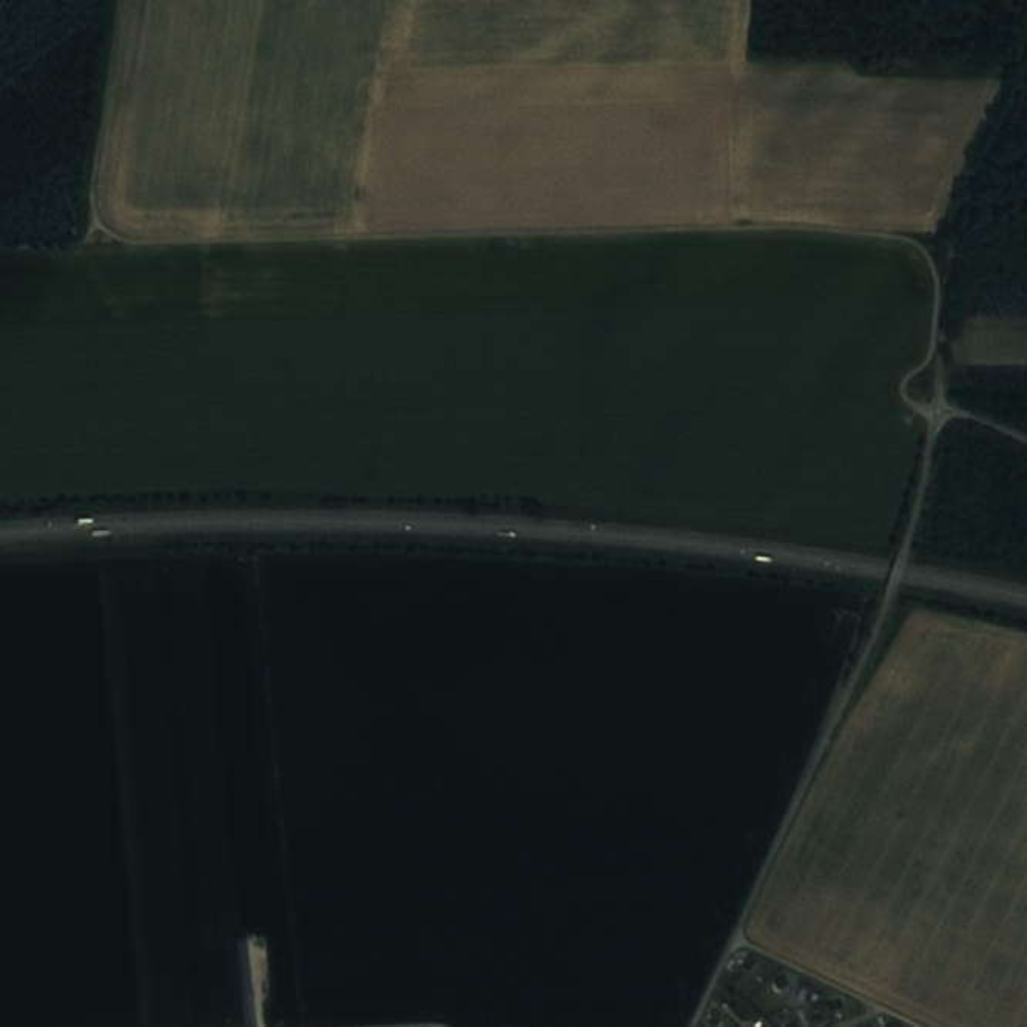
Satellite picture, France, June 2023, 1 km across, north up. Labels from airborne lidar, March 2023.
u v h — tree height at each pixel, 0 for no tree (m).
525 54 0
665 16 0
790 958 0
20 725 0
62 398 0
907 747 0
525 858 0
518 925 0
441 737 0
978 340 0
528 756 0
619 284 0
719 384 0
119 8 0
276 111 0
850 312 0
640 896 0
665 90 0
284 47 0
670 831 0
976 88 0
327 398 0
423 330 0
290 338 0
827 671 0
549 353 0
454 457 0
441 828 0
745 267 0
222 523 0
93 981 0
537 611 0
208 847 0
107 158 0
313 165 0
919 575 0
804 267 0
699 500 0
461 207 0
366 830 0
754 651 0
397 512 0
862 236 0
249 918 0
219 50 0
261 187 0
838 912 0
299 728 0
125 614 0
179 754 0
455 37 0
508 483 0
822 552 0
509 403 0
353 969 0
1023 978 0
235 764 0
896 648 0
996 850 0
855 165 0
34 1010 0
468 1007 0
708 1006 0
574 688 0
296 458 0
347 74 0
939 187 0
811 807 0
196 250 0
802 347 0
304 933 0
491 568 0
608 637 0
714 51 0
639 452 0
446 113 0
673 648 0
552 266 0
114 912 0
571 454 0
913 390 0
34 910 0
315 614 0
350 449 0
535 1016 0
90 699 0
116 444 0
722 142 0
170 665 0
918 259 0
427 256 0
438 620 0
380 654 0
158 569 0
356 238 0
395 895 0
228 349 0
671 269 0
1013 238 23
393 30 0
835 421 0
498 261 0
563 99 0
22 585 0
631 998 0
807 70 0
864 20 14
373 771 0
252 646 0
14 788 0
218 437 0
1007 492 12
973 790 0
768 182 0
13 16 25
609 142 0
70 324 0
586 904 0
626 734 0
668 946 0
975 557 10
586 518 0
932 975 0
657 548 0
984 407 11
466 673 0
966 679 0
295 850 0
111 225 0
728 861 0
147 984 0
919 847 0
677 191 0
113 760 0
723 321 0
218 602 0
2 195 25
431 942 0
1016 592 0
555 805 0
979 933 0
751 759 0
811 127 0
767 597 0
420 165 0
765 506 0
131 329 0
